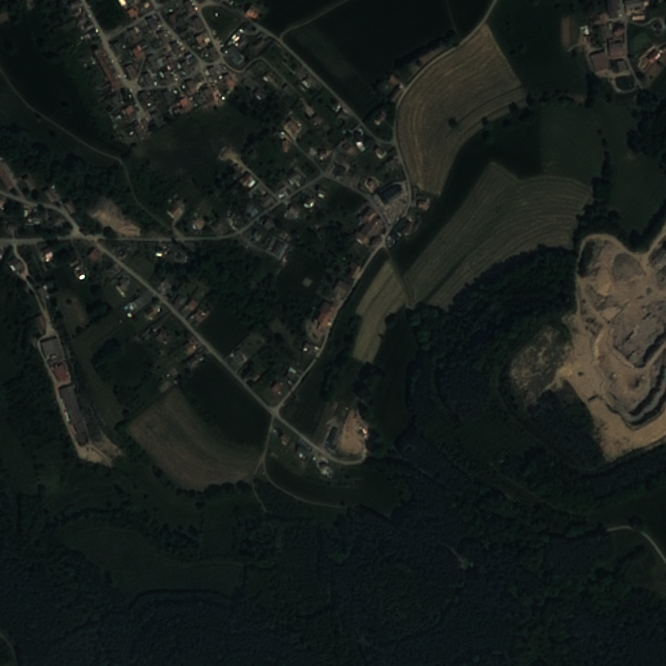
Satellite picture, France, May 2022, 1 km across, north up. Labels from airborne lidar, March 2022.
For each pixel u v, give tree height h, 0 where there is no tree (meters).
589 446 20
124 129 0
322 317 0
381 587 7
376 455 24
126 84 0
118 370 0
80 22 0
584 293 0
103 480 0
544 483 25
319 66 0
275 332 0
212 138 0
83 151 0
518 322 29
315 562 7
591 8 16
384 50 0
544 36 0
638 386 0
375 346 0
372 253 0
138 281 0
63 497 0
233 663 21
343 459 0
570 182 0
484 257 0
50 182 17
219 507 0
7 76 0
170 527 9
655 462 17
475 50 0
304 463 0
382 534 31
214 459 0
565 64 0
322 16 0
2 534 16
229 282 20
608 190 19
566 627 24
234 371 0
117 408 0
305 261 0
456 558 25
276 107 11
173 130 0
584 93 0
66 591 19
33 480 0
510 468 9
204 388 0
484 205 0
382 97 8
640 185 0
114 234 13
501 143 0
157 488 0
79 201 17
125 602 14
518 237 0
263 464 0
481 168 0
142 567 0
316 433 0
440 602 11
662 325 0
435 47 14
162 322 0
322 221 13
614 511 0
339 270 11
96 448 0
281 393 0
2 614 19
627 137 0
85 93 0
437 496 25
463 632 13
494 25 0
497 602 24
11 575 20
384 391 0
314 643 17
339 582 25
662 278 0
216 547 0
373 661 29
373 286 0
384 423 0
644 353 0
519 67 0
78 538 0
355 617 24
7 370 0
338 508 0
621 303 0
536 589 24
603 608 27
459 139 0
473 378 28
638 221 0
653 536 0
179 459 0
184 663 24
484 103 0
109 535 0
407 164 0
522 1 0
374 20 0
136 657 23
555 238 0
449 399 23
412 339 0
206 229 9
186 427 0
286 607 7
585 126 0
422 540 25
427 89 0
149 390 0
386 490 0
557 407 23
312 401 0
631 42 0
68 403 0
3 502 28
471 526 30
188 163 0
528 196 0
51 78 0
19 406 10
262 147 0
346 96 0
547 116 0
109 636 28
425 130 0
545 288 17
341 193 0
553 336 0
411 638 17
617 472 17
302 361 0
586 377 0
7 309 0
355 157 0
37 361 10
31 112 0
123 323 0
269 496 8
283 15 0
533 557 30
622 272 0
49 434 7
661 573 0
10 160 7
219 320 0
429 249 0
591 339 0
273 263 0
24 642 19
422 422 19
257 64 0
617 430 0
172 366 0
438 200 0
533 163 0
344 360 19
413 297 0
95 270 9
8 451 0
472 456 7
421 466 26
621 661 19
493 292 24
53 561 10
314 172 9
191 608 26
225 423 0
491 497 27
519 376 0
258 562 18
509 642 12
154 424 0
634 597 22
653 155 24
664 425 0
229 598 7
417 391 21
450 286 0
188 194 0
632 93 0
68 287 0
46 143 0
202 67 0
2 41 0
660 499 0
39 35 0
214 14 0
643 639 19
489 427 0
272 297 15
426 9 0
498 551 20
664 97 0
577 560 29
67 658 31
